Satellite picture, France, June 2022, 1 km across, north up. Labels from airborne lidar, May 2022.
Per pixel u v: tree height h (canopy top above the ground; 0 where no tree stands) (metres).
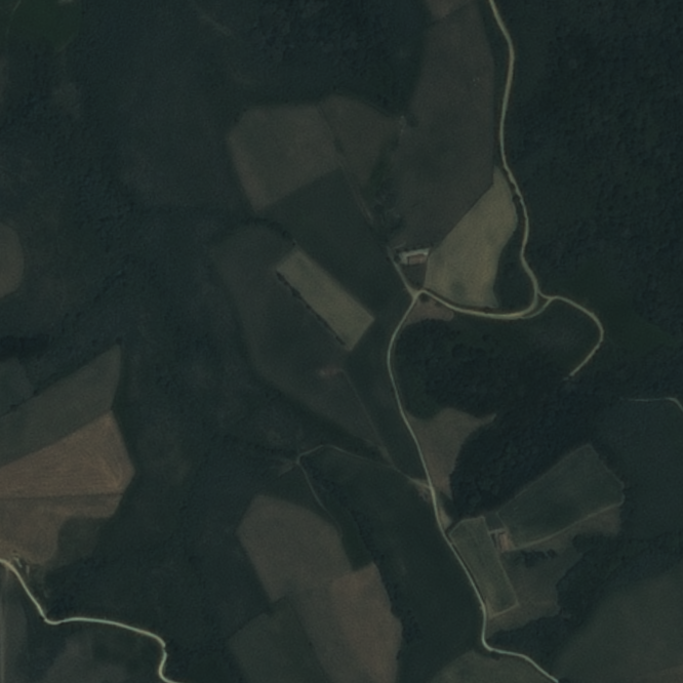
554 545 0
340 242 0
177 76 0
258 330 0
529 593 0
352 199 0
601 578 14
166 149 0
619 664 0
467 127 0
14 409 7
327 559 0
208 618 8
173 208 7
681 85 7
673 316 6
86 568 7
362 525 9
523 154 10
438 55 0
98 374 0
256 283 0
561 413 22
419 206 0
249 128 0
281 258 0
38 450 0
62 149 10
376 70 0
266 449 6
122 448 0
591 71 12
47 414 0
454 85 0
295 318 0
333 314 0
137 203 7
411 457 0
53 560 0
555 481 0
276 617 0
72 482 0
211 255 0
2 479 0
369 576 0
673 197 23
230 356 0
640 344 0
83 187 13
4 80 0
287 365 0
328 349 0
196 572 8
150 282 11
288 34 7
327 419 0
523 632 9
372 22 7
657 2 15
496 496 19
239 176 0
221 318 0
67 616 9
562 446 15
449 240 0
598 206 6
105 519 0
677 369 27
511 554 0
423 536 0
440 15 0
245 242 0
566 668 0
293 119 0
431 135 0
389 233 0
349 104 0
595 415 7
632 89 14
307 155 0
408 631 8
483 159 0
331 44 15
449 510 0
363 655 0
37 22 0
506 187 0
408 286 0
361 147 0
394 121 0
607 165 6
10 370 0
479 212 0
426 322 7
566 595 12
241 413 0
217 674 0
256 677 0
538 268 6
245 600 0
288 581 0
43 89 11
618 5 9
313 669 0
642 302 9
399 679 0
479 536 0
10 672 0
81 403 0
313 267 0
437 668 0
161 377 12
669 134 12
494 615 0
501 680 0
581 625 9
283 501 0
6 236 0
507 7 10
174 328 8
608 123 17
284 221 0
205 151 0
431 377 8
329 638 0
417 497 0
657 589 0
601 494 0
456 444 0
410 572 0
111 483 0
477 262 0
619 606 0
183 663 12
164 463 0
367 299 0
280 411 0
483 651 0
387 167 0
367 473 0
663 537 15
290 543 0
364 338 0
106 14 7
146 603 0
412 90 0
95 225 6
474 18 0
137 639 0
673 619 0
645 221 21
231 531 0
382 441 0
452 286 0
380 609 0
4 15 0
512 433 17
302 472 0
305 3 16
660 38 9
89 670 0
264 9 14
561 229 9
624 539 12
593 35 10
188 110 0
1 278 0
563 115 9
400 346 8
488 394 15
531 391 17
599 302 0
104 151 8
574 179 6
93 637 0
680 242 26
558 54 8
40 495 0
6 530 0
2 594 0
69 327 10
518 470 19
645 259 20
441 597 0
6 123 14
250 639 0
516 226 0
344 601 0
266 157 0
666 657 0
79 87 7
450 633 0
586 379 11
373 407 0
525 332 0
